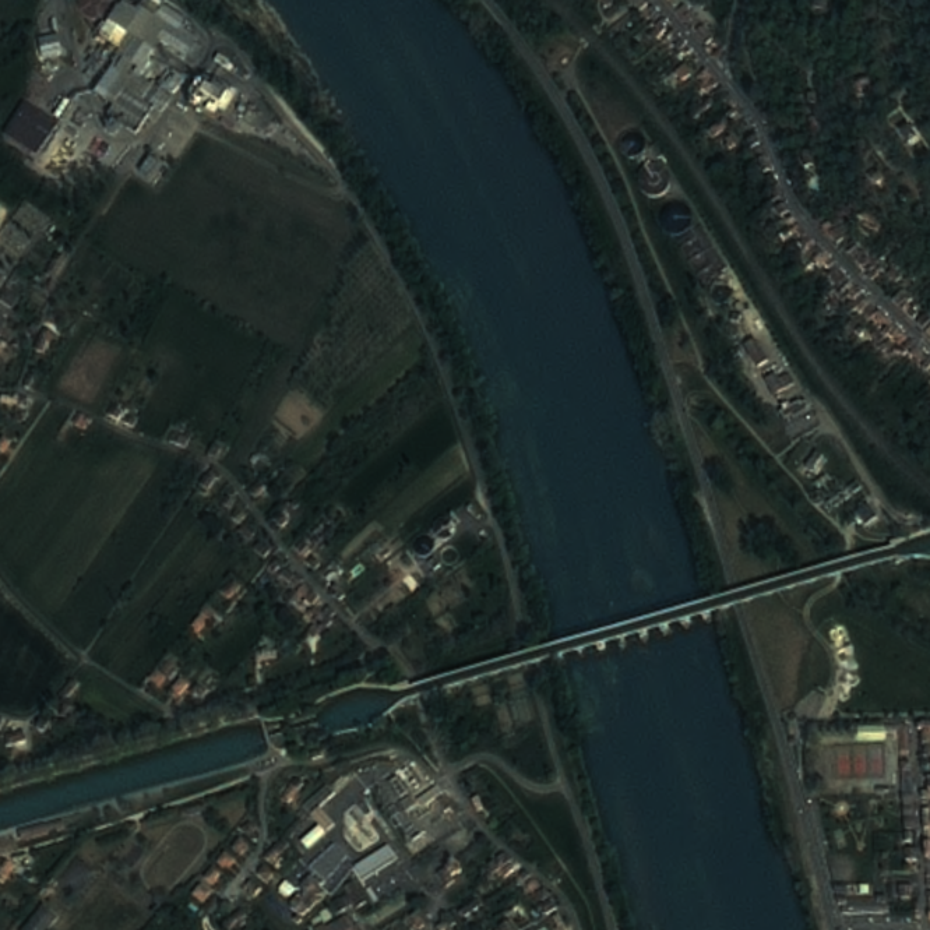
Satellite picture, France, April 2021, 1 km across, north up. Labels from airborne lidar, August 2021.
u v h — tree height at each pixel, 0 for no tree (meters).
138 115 0
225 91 0
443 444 0
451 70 0
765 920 0
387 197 28
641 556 0
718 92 7
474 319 0
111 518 0
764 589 0
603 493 0
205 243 0
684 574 0
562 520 0
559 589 0
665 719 0
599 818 10
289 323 0
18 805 0
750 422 0
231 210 0
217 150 0
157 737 21
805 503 9
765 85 14
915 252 16
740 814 0
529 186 0
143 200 0
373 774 0
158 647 0
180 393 0
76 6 0
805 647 0
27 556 0
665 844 0
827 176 15
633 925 21
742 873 0
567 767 0
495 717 5
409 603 6
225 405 0
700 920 0
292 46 8
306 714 11
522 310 0
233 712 18
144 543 0
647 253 8
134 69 0
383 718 12
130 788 0
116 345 0
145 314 7
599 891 0
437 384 6
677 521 0
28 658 0
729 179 10
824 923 0
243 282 0
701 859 0
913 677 0
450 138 0
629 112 0
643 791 0
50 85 0
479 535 0
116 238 0
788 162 22
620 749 0
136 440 0
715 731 0
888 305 0
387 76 0
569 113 0
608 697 0
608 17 7
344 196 0
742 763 0
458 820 0
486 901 7
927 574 12
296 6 0
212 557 0
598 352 0
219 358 0
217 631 6
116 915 0
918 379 8
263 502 9
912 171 25
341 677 16
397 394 7
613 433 0
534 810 0
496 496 16
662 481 0
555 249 0
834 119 18
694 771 0
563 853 0
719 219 7
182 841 0
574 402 0
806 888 12
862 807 16
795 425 0
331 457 6
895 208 13
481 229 0
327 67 0
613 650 0
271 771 0
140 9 0
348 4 0
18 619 0
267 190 0
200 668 0
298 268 0
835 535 9
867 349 7
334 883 0
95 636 0
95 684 0
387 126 0
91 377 0
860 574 11
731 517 0
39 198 11
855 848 0
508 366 0
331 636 11
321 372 18
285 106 0
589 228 27
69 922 0
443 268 0
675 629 0
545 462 0
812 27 11
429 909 0
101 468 0
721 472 24
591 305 0
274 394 0
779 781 0
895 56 11
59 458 0
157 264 0
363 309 19
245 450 0
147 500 0
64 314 11
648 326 16
